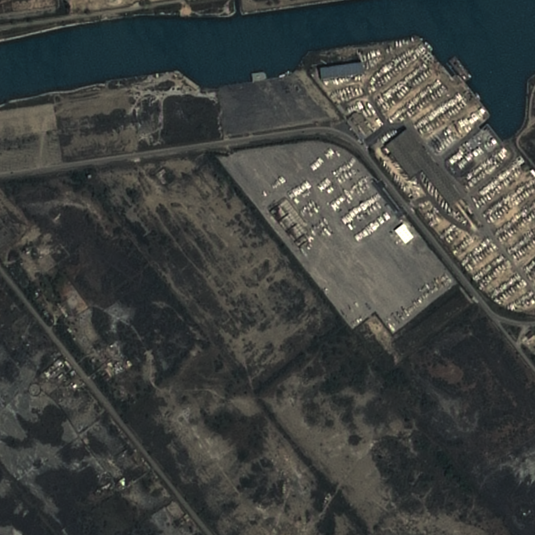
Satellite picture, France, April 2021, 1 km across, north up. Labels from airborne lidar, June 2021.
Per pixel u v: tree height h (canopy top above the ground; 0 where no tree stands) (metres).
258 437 0
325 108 0
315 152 0
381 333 0
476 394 0
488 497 0
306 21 0
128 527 0
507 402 0
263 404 0
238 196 7
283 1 0
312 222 0
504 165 0
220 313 0
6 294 0
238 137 0
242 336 0
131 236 0
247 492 0
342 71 0
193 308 0
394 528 0
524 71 0
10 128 0
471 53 0
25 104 0
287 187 0
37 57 0
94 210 0
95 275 0
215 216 0
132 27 0
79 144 0
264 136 0
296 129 0
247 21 0
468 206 0
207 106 0
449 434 0
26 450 0
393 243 0
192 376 0
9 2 0
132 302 0
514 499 0
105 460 0
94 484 0
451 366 0
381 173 0
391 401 0
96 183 0
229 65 0
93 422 0
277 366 0
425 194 0
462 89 0
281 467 0
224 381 0
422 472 0
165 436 0
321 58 0
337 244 0
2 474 0
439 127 0
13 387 0
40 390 0
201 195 0
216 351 0
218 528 0
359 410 0
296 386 0
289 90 0
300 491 0
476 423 0
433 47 0
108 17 0
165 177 0
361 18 0
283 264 0
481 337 0
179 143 0
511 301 0
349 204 0
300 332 0
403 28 0
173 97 0
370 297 0
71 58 0
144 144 0
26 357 0
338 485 0
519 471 0
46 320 5
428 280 0
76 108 0
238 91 0
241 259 0
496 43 0
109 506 0
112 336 0
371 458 0
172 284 0
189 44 0
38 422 0
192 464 0
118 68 0
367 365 0
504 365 0
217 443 0
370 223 0
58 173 0
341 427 0
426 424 0
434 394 0
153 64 0
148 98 0
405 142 0
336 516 0
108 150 0
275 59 0
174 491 0
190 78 0
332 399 0
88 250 0
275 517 0
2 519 0
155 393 0
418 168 0
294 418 0
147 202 0
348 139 0
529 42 0
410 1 0
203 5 0
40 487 0
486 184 0
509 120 0
